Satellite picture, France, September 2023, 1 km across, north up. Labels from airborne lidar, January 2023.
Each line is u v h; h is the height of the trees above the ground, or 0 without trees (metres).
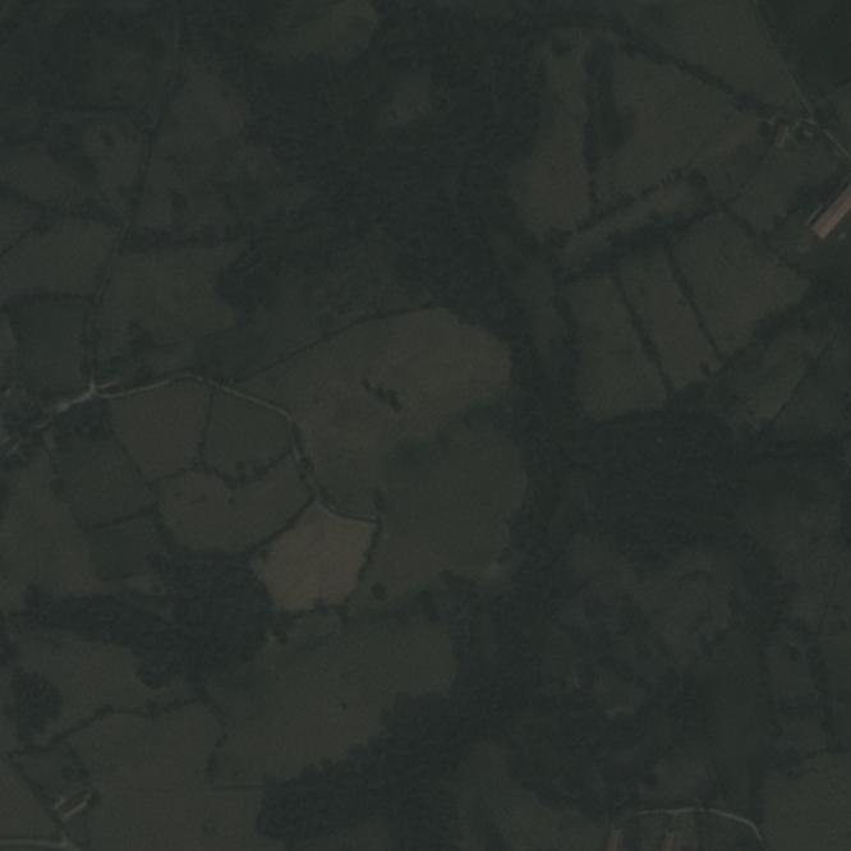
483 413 0
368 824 0
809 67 0
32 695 14
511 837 0
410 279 0
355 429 0
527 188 0
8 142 17
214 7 21
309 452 0
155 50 0
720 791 15
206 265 0
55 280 0
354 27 0
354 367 0
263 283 16
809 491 0
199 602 7
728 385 0
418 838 11
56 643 0
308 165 16
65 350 0
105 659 0
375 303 0
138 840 0
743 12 0
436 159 9
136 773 0
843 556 0
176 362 0
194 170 0
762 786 14
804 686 0
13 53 0
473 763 0
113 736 0
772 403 0
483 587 0
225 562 8
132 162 0
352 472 0
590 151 12
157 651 8
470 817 0
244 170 0
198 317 0
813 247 0
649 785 15
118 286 0
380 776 22
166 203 0
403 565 0
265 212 0
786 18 0
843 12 0
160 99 0
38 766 0
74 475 0
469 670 19
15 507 0
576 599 8
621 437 0
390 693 0
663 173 0
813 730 0
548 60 0
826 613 0
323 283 0
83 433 12
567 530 0
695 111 0
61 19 0
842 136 0
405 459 0
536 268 0
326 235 0
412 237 7
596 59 12
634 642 0
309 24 0
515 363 9
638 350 0
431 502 0
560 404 0
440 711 17
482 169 15
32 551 0
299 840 12
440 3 0
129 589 0
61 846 0
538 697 0
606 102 0
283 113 23
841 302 18
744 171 0
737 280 0
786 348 0
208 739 0
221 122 0
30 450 8
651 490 17
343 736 0
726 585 0
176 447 0
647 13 0
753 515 0
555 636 0
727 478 15
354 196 10
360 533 0
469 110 23
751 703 0
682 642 0
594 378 0
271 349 0
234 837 0
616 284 14
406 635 0
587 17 15
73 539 0
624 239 16
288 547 0
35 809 0
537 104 6
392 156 0
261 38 0
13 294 0
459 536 0
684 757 0
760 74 0
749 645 0
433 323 0
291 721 0
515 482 0
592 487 0
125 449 7
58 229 0
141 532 0
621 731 8
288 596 0
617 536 8
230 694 0
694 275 0
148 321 0
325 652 0
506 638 7
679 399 19
